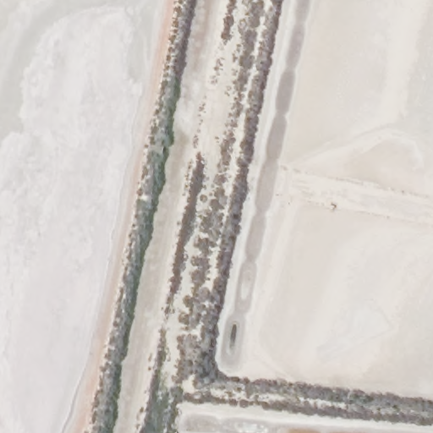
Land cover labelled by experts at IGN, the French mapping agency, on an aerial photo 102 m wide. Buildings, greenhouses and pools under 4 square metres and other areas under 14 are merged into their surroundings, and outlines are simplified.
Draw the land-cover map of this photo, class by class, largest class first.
<instances>
[{"label":"pervious surface","instance_id":"1","mask_svg":"<svg viewBox=\"0 0 433 433\"><path fill-rule=\"evenodd\" d=\"M178 0H0V433H88L93 430V401L96 391L100 389L101 367L107 364V360L108 350L117 315L118 296L123 286V276L125 267L129 264V240L135 223L137 191L145 184L142 181V169L147 162L149 149L144 144L151 140L152 117L159 103ZM249 10L244 5V0H198L189 34L186 66L181 79V95L174 113V144L171 145L167 157L166 184L159 196V205L154 215L151 244L145 250L134 323L130 328L129 350L122 364L118 418L113 433H140L147 416L152 375H159L166 387H174V375L178 370L179 360V335L196 337L203 330V323H198L193 330H184L183 323H179V315L188 313L184 298L191 296L193 289L191 274L196 271V266H193V257H200L201 252L210 255V271L206 274V281L203 284L206 289H213L218 277L216 262L222 249V238L203 232L201 222L205 218L206 210L211 208V200L215 198L216 164L222 157L220 149L225 140V123L228 122V113L233 112V101L237 95L233 81L240 74V56L244 54L242 37L238 32L240 19H244L247 15L245 12ZM196 164H205V179L203 188L196 198L193 233L189 235L184 247L181 286L174 296L173 313L166 315L164 308L167 293L171 288L174 255L178 247L184 210L188 205L189 184L193 179ZM249 193L242 208L240 233L235 242L225 303L218 320L216 367L225 375L247 377L250 381L271 379L304 382L311 386L342 387L354 391L357 389L367 394L389 392L396 396L423 397L433 401V0H284L276 44L272 52L271 71L267 76L264 91V105L260 110L259 125L255 134L254 157L247 174ZM266 29V19L260 17L255 34L252 68L249 69V78L242 93V113L238 117L233 134L235 140L230 154L227 179L223 183L225 196L220 201V205L223 206L222 220H228L233 184L238 174V157L242 154L249 93L254 86L255 76L259 74V49ZM179 433H433V425L306 416L288 411H269L259 406L240 408L230 404L181 403L178 404L176 418Z\"/></svg>","mask_w":433,"mask_h":433},{"label":"brushwood","instance_id":"2","mask_svg":"<svg viewBox=\"0 0 433 433\"><path fill-rule=\"evenodd\" d=\"M198 0H188L184 14L183 37L174 59L173 91L167 100L164 130L166 135L162 137V156L156 173L152 174L149 195L151 206L144 215V222L139 223V244L135 245V260L130 264V274L123 276V286L127 288V299L123 328L118 332L122 335V343L115 350H108L107 360L113 364L110 374L112 384L105 408V425L96 428L98 433H113L118 418L122 364L129 350L130 328L134 323L145 250L151 244L154 215L159 205V196L166 184L167 157L171 145L174 144V113L181 95V79L186 66L189 34ZM284 0H272L274 14L271 24L266 29L259 49V74L255 76L254 86L249 93L242 154L238 157V174L233 184L228 220L232 223V230L230 233L223 232L222 238V249L216 262L218 277L213 289H206L203 284L206 281V274L210 271V255L201 252L200 257H193V266H196V271L191 274L193 289L191 296L184 298L188 313L179 315V323H183L184 330H193L198 323H203V330L196 337L179 335V360L178 370L174 375V387H166L159 375H152L147 416L140 433H179L176 418L178 404L181 403L230 404L240 408L259 406L269 411H288L306 416L433 425V401L423 397L396 396L389 392L367 394L357 389L354 391L342 387L311 386L304 382L271 379L250 381L247 377L225 375L216 367L218 320L225 303L235 242L240 233L242 208L249 193L247 174L254 157L255 134L259 125L260 110L264 105V91L267 76L271 71L272 52L276 44ZM227 382L244 384V399H223L213 396L211 387L225 389ZM289 391H298L301 392V396L313 399L345 403V408H320L288 401H260L259 394H289ZM244 54L240 56V66L249 69L252 68L255 34L247 30L242 37ZM205 179V164H196L193 179L189 184L188 205L184 210L178 247L174 255L171 288L167 293L164 308L166 315L173 313L174 296L181 286L184 247L189 235L193 233L196 198L203 188Z\"/></svg>","mask_w":433,"mask_h":433},{"label":"herbaceous vegetation","instance_id":"3","mask_svg":"<svg viewBox=\"0 0 433 433\"><path fill-rule=\"evenodd\" d=\"M188 0H178L159 103L152 117L151 140L144 144L149 149L147 162L142 169V181L145 184L137 191L135 223L129 240V264L125 267L123 276L130 274V264L135 260V245L139 244V223L144 222V215L151 206L149 195L152 174L156 173L162 156V137L166 135L164 130L167 100L173 91L174 59L183 37L184 14ZM244 5L249 10L245 12L247 15L244 19H240L238 32L242 37L247 30L255 34L260 17L266 19V29L271 24L274 14L272 0H244ZM249 78V69L240 66V74L233 81L237 95L233 101V112L228 113V122L225 123V140L220 149L222 157L216 164L215 198L211 200V208L206 210L205 218L201 222L203 232L222 238L223 232L230 233L232 230V223L228 220H222L223 206L220 205V201L225 196L223 183L227 179L230 154L235 140L233 134L238 117L242 113V93ZM127 299V288L123 286L118 296L117 315L108 350H115L122 343V335L118 332L123 328ZM113 364L107 360V364L101 367L100 389L96 391L93 401V430L88 433H98L96 428L105 425V408L112 384L110 374ZM213 396L223 399H244V384L227 382L225 389L211 387ZM260 401H288L320 408H345V403L313 399L301 396V392L298 391H289V394H259Z\"/></svg>","mask_w":433,"mask_h":433}]
</instances>
